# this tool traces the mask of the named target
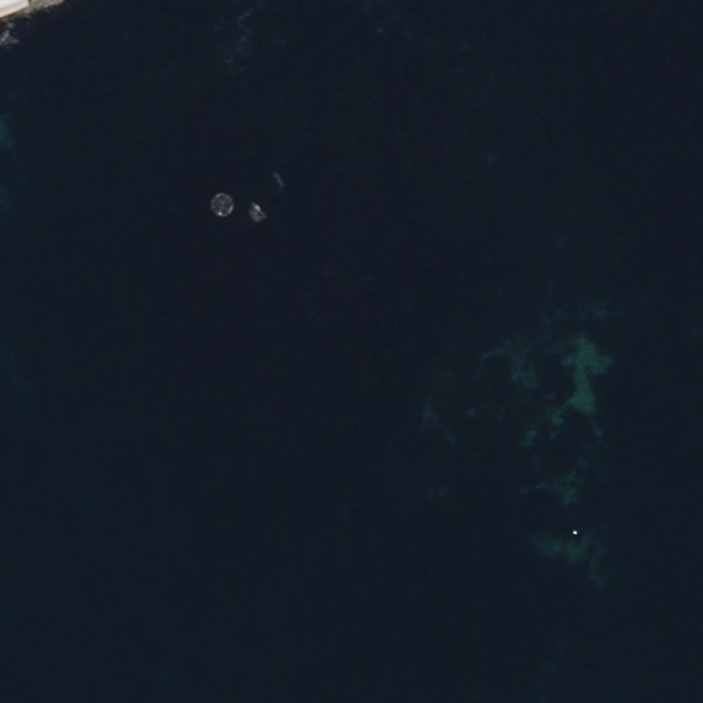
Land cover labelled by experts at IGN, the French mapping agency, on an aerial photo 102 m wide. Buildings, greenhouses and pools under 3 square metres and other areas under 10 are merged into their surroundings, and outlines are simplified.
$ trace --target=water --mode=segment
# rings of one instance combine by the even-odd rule
[[[0,703],[703,703],[703,0],[63,0],[58,5],[0,16]]]

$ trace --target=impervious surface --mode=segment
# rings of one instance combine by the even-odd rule
[[[0,16],[58,5],[63,0],[0,0]]]

